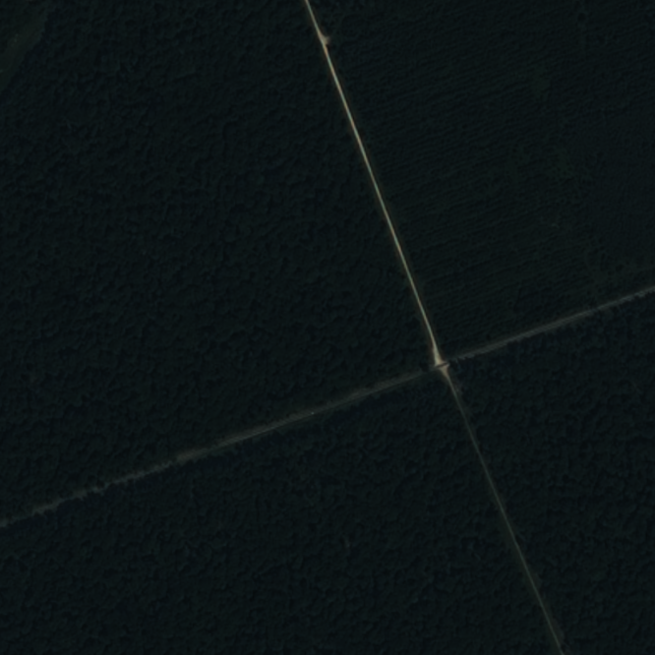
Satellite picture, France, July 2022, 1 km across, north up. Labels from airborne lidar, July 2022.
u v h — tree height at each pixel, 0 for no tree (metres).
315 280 19
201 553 25
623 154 12
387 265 12
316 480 24
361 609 29
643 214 9
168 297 26
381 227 19
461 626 28
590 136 13
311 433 21
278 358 25
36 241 24
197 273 27
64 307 21
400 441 25
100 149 23
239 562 30
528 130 12
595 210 13
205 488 26
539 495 25
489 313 8
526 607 24
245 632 24
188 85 23
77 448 18
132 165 25
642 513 25
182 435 24
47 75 18
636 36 8
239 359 27
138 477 0
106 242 24
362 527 25
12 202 18
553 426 25
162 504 27
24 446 23
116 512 27
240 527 28
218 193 24
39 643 24
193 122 26
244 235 29
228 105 14
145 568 25
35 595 25
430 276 6
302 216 21
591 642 25
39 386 26
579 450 11
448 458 24
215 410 25
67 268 25
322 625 28
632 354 25
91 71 20
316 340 23
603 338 25
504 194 9
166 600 26
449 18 7
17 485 18
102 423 26
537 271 6
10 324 21
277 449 24
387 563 27
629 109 11
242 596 24
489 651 19
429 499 18
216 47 23
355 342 21
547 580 22
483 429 23
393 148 7
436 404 16
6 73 0
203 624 18
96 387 26
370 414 23
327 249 24
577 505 26
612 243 11
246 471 21
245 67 18
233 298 27
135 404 27
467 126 9
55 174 24
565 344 21
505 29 7
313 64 27
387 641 25
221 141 24
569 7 8
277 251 25
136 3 25
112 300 26
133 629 26
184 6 16
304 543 26
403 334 22
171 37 25
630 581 24
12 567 25
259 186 22
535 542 20
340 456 25
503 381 25
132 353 27
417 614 28
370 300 28
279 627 26
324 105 24
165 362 24
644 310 10
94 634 23
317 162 25
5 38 17
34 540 27
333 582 25
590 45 7
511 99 6
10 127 23
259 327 25
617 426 24
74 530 27
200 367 25
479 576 27
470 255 7
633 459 25
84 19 24
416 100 6
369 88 6
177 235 21
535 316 9
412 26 8
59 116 23
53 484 19
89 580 28
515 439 25
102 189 8
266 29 20
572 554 26
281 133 28
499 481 21
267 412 24
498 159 6
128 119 27
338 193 22
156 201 20
